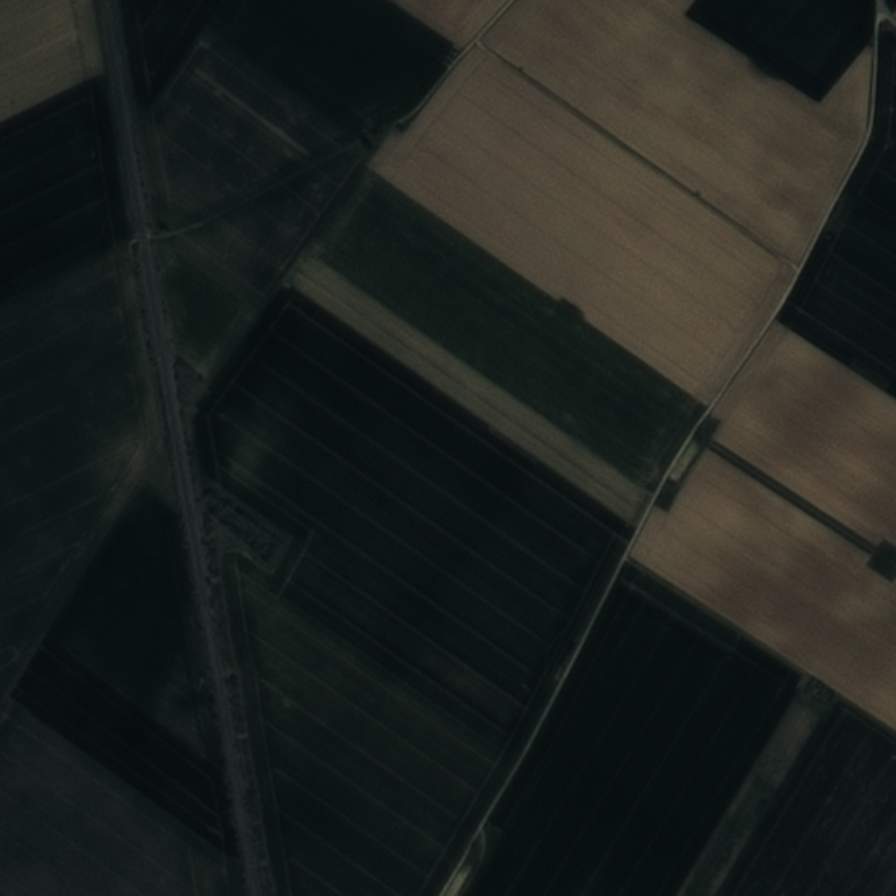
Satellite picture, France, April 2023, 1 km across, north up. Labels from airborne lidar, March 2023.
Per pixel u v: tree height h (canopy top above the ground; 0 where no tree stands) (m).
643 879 0
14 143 0
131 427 0
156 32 0
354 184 0
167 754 0
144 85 0
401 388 0
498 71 0
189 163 0
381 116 0
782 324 0
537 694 0
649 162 0
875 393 0
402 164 0
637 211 0
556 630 0
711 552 0
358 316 0
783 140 0
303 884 0
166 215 0
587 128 0
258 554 6
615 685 0
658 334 0
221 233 0
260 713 0
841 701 0
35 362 0
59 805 0
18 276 0
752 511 0
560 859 0
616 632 0
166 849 0
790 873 0
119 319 0
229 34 0
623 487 0
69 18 0
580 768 0
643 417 0
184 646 0
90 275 0
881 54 0
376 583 0
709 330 0
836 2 0
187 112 0
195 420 0
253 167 0
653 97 0
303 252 0
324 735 0
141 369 0
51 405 0
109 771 0
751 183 0
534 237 0
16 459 0
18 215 0
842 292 0
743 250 0
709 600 0
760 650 0
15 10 0
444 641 0
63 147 0
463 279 0
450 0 0
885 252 0
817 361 0
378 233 0
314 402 0
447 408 0
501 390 0
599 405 0
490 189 0
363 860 0
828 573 0
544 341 0
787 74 0
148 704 0
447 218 0
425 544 0
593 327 0
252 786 10
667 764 0
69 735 0
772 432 0
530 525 0
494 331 0
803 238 0
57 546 0
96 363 0
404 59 0
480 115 0
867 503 0
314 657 0
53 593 0
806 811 0
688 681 0
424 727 0
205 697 0
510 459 0
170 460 7
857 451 0
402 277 0
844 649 0
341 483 0
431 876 0
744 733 0
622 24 0
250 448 0
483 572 0
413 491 0
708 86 0
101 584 0
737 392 0
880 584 0
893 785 0
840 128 0
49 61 0
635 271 0
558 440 0
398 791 0
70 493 0
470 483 0
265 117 0
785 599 0
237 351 0
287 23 0
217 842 0
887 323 0
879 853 0
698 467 0
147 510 0
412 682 0
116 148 0
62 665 0
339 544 0
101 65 0
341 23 0
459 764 0
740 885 0
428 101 0
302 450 0
